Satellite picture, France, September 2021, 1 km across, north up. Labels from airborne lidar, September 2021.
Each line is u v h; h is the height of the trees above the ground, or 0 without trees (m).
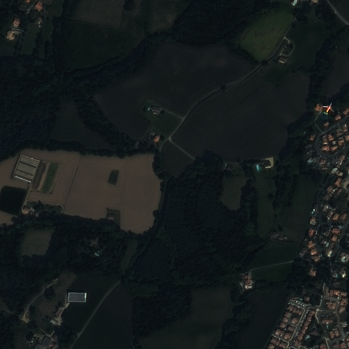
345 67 0
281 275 0
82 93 25
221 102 0
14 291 17
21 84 18
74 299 0
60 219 19
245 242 20
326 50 28
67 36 0
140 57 20
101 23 0
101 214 0
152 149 10
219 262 30
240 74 0
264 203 0
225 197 0
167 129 0
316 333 0
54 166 0
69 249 22
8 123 20
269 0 11
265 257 0
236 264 25
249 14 17
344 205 0
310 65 0
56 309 8
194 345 0
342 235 0
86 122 13
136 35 0
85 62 0
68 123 0
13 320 22
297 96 0
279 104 0
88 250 18
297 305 0
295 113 0
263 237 0
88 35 0
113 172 0
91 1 0
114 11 0
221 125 0
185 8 0
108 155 12
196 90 0
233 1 20
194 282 27
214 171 19
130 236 13
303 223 0
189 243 19
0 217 0
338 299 0
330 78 0
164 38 19
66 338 28
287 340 0
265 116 0
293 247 0
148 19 0
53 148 18
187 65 0
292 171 31
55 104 17
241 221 25
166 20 0
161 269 18
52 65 18
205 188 19
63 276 0
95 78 26
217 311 0
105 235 13
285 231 0
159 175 21
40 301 0
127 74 16
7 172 0
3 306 0
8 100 11
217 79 0
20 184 0
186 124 0
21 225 24
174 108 0
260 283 12
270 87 0
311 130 14
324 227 8
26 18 18
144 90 0
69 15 6
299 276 26
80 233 28
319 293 8
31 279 15
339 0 0
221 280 29
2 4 18
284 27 0
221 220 14
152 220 0
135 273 17
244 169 20
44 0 0
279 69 0
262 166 6
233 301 18
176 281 30
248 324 11
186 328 0
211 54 0
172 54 0
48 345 0
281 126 0
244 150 0
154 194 0
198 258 21
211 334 0
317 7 7
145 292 26
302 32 0
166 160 0
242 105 0
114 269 16
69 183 0
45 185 0
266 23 0
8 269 22
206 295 0
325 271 17
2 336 24
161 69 0
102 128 25
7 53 0
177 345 0
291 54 0
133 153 8
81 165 0
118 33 0
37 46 15
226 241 20
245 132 0
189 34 16
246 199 19
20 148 20
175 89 0
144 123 0
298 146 28
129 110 0
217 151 0
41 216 8
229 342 27
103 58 0
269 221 0
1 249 16
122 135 12
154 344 0
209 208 20
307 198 0
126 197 0
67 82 21
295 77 0
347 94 31
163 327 20
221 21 20
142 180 0
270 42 0
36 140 20
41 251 0
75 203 0
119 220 0
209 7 16
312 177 22
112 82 10
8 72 22
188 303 20
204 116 0
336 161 0
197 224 21
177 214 17
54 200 0
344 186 0
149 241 9
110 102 0
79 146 20
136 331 18
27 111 15
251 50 0
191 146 0
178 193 14
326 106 25
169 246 26
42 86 27
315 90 24
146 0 0
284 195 30
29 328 15
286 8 0
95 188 0
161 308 24
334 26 12
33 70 15
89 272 18
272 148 0
